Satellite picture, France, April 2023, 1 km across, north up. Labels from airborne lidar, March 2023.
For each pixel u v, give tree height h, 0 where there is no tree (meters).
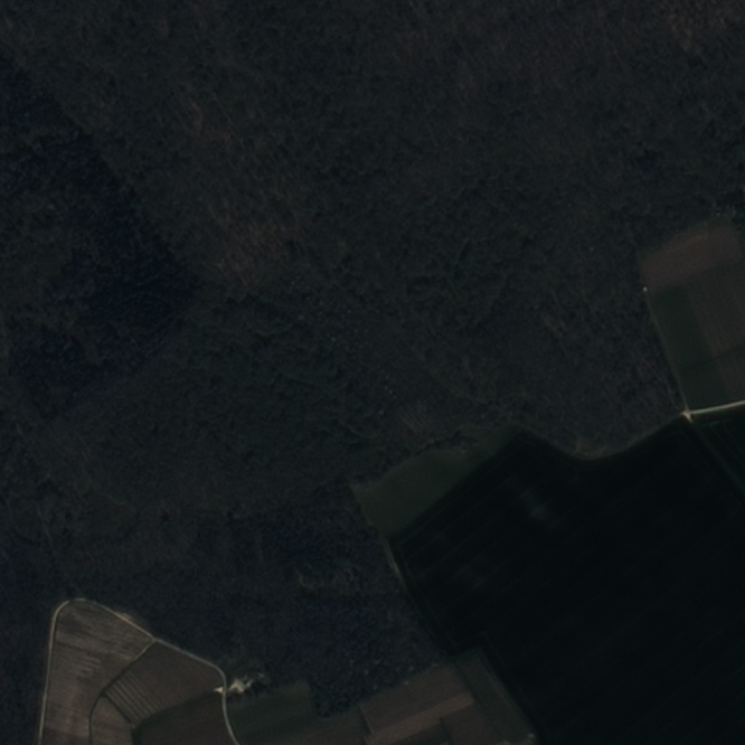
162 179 25
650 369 26
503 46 27
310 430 22
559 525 0
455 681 0
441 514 0
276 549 14
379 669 17
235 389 25
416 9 18
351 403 18
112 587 16
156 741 0
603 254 23
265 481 21
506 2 23
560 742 0
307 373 23
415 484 0
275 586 19
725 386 0
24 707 20
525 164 21
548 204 21
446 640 0
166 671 0
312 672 20
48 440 22
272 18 23
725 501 0
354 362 14
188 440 24
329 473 23
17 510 9
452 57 20
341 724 0
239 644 13
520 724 0
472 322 15
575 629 0
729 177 19
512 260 21
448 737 0
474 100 21
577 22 19
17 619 13
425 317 20
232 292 22
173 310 31
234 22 22
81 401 21
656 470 0
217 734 0
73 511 12
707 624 0
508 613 0
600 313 23
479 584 0
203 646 14
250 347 15
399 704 0
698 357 0
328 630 23
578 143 25
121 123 23
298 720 0
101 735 0
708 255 0
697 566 0
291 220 26
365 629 22
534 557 0
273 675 17
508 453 0
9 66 21
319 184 26
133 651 0
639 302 19
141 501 20
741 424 0
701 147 21
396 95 22
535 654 0
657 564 0
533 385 26
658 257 0
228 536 15
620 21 26
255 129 22
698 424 0
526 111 21
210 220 30
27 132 17
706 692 0
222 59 25
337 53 21
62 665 0
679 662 0
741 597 0
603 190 22
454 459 0
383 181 26
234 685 0
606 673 0
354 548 12
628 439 22
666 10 25
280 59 16
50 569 17
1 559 15
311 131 23
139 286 27
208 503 23
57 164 15
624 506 0
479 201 23
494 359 25
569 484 0
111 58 22
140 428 24
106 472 25
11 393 27
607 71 26
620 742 0
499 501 0
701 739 0
